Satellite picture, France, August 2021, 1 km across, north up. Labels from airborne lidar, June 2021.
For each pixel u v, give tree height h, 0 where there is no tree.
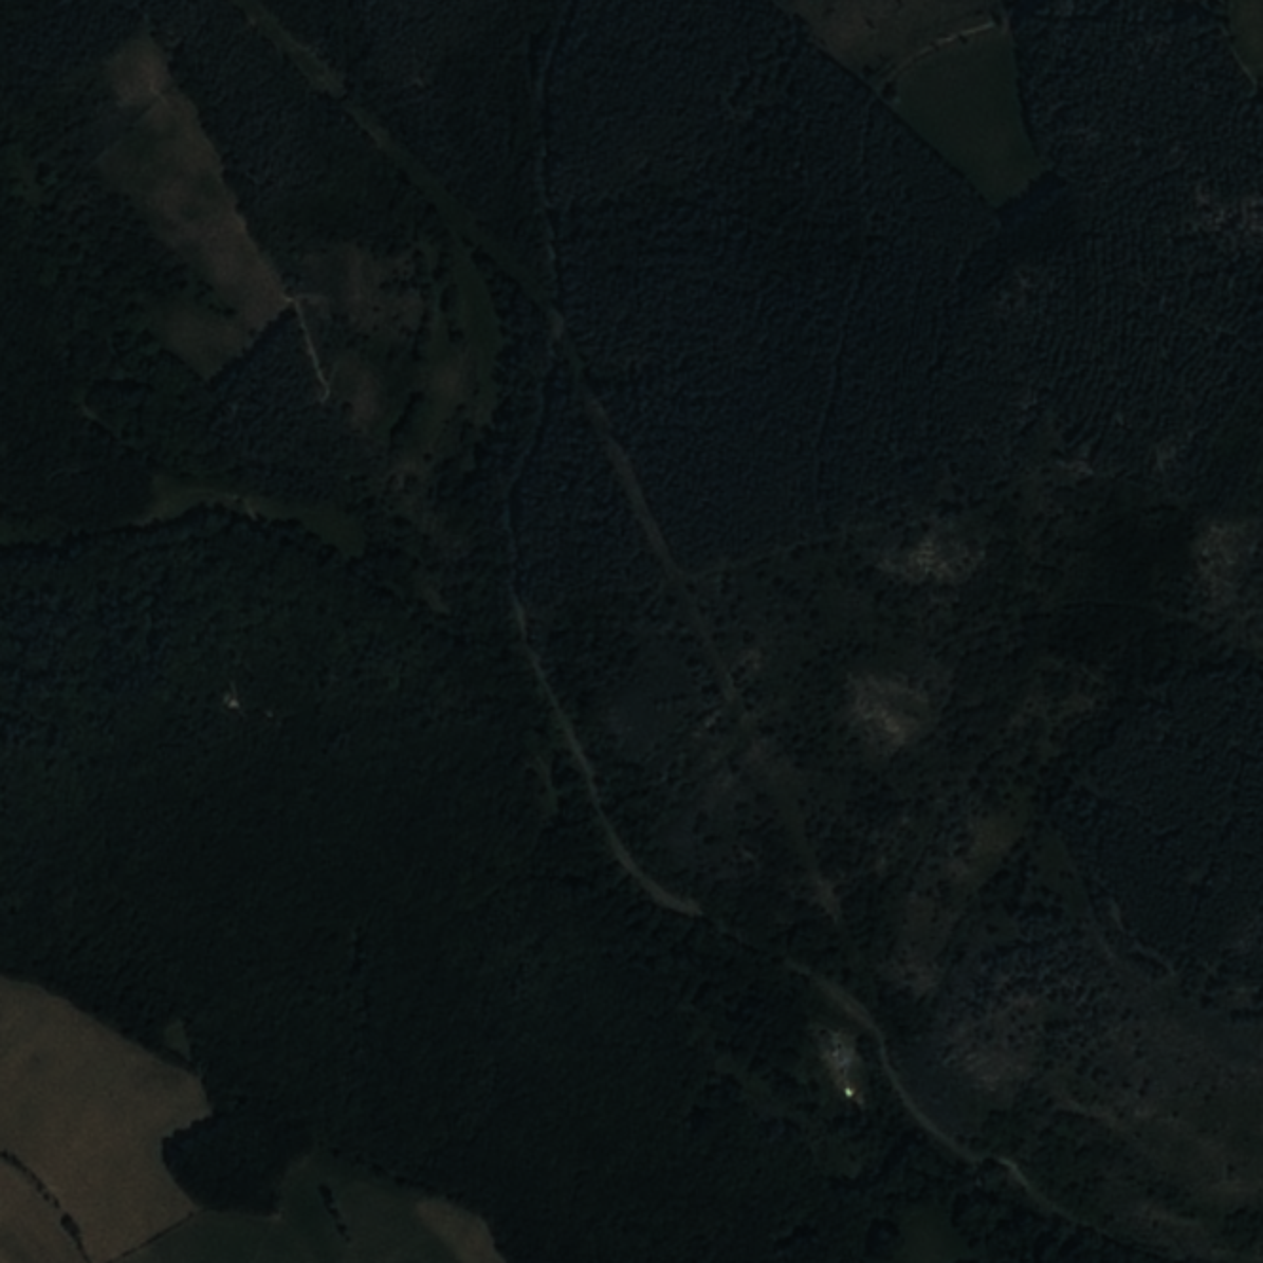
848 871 8
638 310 18
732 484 16
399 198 14
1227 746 20
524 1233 19
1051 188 14
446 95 21
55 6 17
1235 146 25
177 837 19
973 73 0
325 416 15
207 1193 20
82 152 6
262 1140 16
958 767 8
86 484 19
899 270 16
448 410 0
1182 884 20
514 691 21
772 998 21
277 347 21
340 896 20
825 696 8
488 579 18
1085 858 17
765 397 18
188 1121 0
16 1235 0
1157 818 14
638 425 18
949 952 13
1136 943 12
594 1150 16
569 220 21
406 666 14
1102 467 19
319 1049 23
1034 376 23
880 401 20
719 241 21
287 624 11
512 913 19
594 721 9
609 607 10
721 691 14
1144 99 22
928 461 18
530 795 17
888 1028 12
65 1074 0
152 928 13
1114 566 5
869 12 0
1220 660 11
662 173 20
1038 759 12
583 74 16
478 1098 15
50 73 17
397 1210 0
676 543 18
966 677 12
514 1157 17
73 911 16
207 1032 17
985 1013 12
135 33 15
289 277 8
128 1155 0
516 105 23
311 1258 0
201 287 8
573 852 21
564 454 19
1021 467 20
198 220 0
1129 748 19
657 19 19
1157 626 9
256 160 14
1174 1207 8
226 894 16
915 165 20
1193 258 22
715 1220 18
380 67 20
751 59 16
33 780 8
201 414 18
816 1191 25
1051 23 21
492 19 23
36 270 27
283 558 15
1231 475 18
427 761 17
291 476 24
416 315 0
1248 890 20
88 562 21
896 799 8
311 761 15
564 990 14
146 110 0
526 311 20
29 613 12
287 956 16
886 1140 8
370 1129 21
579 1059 20
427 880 22
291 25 19
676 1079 25
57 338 23
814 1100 10
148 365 19
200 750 17
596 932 15
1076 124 22
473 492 19
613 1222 19
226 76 20
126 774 18
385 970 22
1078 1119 13
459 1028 23
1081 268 25
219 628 9
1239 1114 0
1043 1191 13
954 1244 0
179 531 16
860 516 16
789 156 15
